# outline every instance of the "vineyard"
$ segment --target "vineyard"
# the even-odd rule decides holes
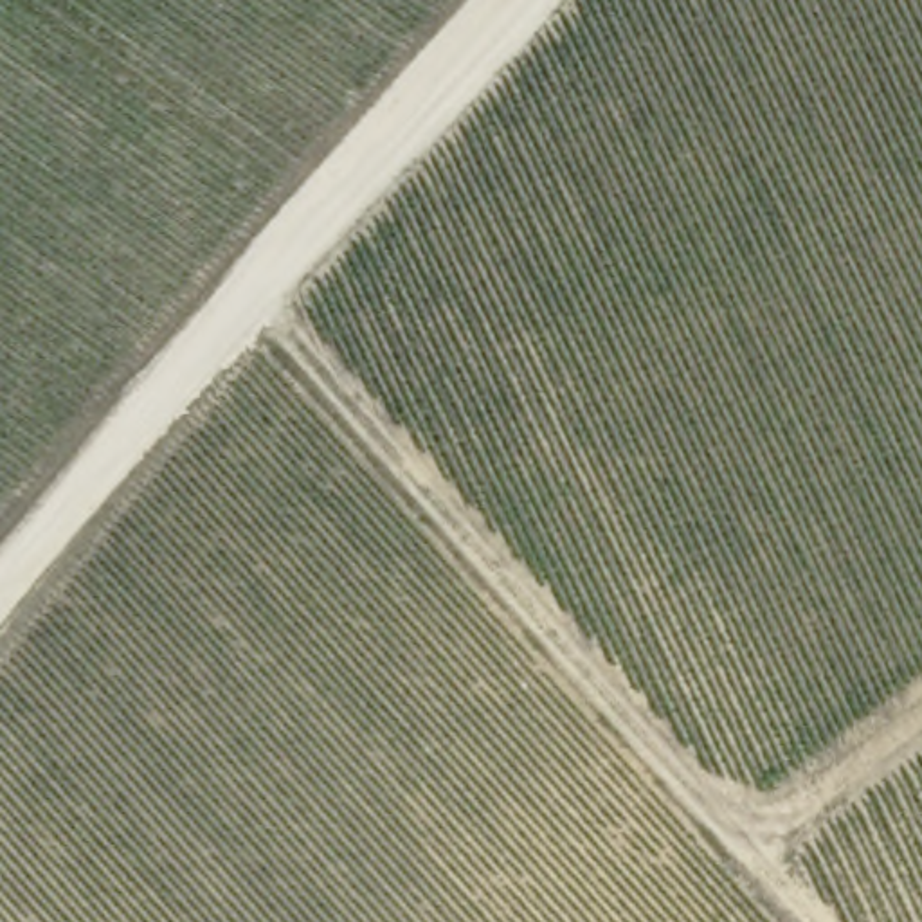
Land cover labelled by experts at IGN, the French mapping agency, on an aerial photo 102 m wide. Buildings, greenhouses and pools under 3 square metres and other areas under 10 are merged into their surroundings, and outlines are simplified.
[[[537,583],[544,583],[555,594],[558,609],[573,616],[580,634],[598,641],[605,663],[623,666],[627,681],[648,699],[648,710],[666,720],[677,746],[695,753],[702,771],[756,789],[774,789],[778,782],[796,774],[810,756],[828,749],[850,724],[864,720],[875,706],[900,695],[911,681],[922,677],[922,0],[562,0],[551,22],[529,40],[529,47],[501,68],[501,79],[429,148],[429,155],[403,169],[400,187],[378,198],[367,212],[360,212],[349,234],[295,281],[292,310],[295,317],[306,317],[321,342],[335,349],[342,367],[364,382],[364,389],[385,407],[389,421],[407,429],[414,450],[436,461],[436,468],[443,472],[443,479],[454,483],[461,501],[483,515],[486,529],[501,533],[508,551],[533,573]]]
[[[137,375],[144,375],[155,364],[155,357],[212,299],[231,267],[259,238],[259,231],[342,144],[342,137],[375,108],[375,101],[393,86],[393,79],[461,11],[465,0],[0,0],[0,540],[40,508],[50,486],[68,472],[79,450],[104,425],[104,418],[119,407]]]
[[[890,774],[882,785],[872,785],[868,796],[854,803],[846,818],[818,828],[818,843],[810,843],[803,854],[810,886],[836,911],[839,922],[922,922],[922,753],[897,774]]]
[[[256,346],[241,353],[231,367],[216,371],[212,382],[187,403],[187,411],[176,421],[169,421],[169,429],[126,472],[126,479],[104,497],[104,504],[79,526],[65,551],[40,573],[29,594],[18,601],[18,609],[0,598],[0,922],[796,922],[764,890],[764,882],[735,861],[735,854],[634,753],[623,731],[573,684],[558,659],[540,645],[540,637],[511,612],[511,605],[425,515],[411,490],[371,454],[371,447],[346,425],[346,418],[321,396],[321,389],[303,375],[303,367],[267,331],[259,331]]]

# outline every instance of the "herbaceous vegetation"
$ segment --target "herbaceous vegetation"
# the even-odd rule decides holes
[[[897,774],[922,753],[922,677],[911,681],[900,695],[875,706],[864,720],[850,724],[828,749],[810,756],[796,774],[803,782],[821,782],[828,774],[839,785],[839,796],[828,800],[818,818],[785,832],[789,875],[810,886],[803,854],[810,843],[818,843],[818,828],[846,818],[854,803],[868,796],[872,785],[882,785],[890,774]]]

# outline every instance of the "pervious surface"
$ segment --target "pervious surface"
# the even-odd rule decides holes
[[[216,371],[231,367],[241,353],[256,346],[259,331],[267,331],[303,367],[303,375],[321,389],[321,396],[346,418],[346,425],[371,447],[371,454],[411,490],[425,515],[511,605],[511,612],[540,637],[540,645],[558,659],[573,684],[623,731],[634,753],[735,854],[735,861],[764,882],[764,890],[796,922],[839,922],[836,911],[810,886],[789,875],[785,832],[818,818],[828,800],[839,796],[839,785],[828,774],[821,782],[803,782],[796,774],[778,782],[774,789],[756,789],[702,771],[695,753],[677,746],[666,720],[648,710],[648,699],[627,681],[623,666],[605,663],[598,641],[580,634],[573,616],[558,609],[555,594],[544,583],[537,583],[533,573],[508,551],[501,533],[486,529],[483,515],[461,501],[454,483],[443,479],[443,472],[436,468],[436,461],[414,450],[407,429],[389,421],[385,407],[364,389],[364,382],[342,367],[335,349],[321,342],[306,317],[295,317],[292,310],[295,281],[349,234],[360,212],[367,212],[378,198],[400,187],[403,169],[429,155],[429,148],[501,79],[501,68],[529,47],[529,40],[551,22],[562,0],[465,0],[461,11],[393,79],[393,86],[375,101],[375,108],[342,137],[342,144],[259,231],[259,238],[231,267],[212,299],[155,357],[155,364],[144,375],[137,375],[119,407],[104,418],[104,425],[79,450],[68,472],[50,486],[40,508],[0,540],[0,598],[18,609],[18,601],[29,594],[40,573],[65,551],[79,526],[104,504],[104,497],[126,479],[126,472],[169,429],[169,421],[176,421],[187,411],[187,403],[212,382]]]

